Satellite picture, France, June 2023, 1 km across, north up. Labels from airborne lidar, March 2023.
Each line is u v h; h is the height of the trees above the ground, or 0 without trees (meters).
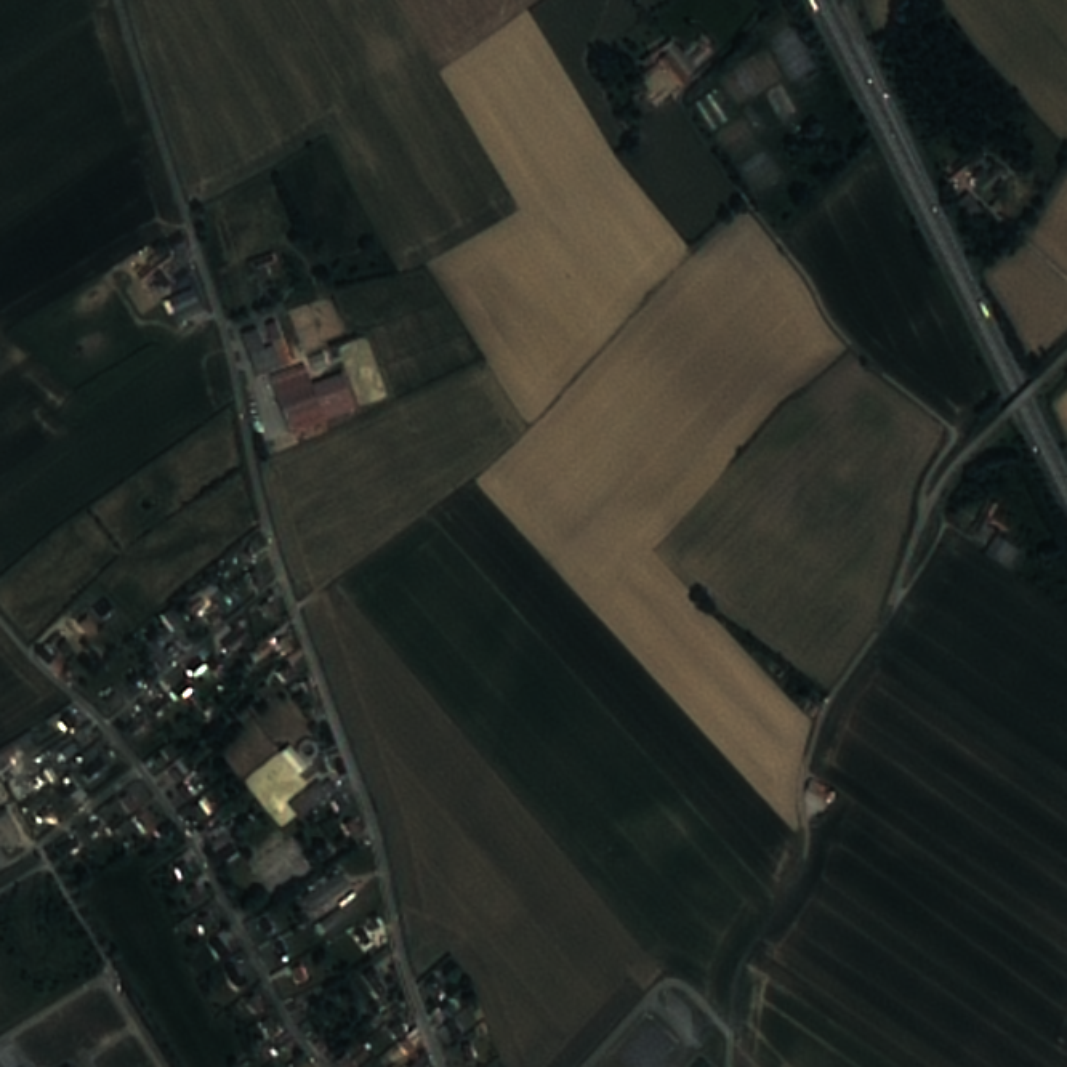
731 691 0
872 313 0
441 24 0
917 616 0
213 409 0
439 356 0
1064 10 0
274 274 0
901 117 0
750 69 0
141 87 0
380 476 0
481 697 0
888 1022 0
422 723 0
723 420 0
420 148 0
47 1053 0
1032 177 0
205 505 0
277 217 0
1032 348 0
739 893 0
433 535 0
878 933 0
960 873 0
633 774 0
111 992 0
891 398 0
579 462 0
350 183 0
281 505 0
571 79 0
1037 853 0
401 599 0
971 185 0
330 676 0
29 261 0
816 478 0
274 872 0
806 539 0
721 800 0
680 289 0
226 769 10
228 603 0
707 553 0
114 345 0
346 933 0
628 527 0
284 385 0
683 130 0
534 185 0
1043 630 0
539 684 0
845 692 0
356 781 0
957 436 0
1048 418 0
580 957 0
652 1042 0
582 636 0
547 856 0
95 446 0
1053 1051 0
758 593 0
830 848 0
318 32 0
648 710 0
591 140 0
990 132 19
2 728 0
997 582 0
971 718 0
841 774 0
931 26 24
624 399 0
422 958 0
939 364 0
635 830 0
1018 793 0
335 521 0
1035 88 0
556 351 0
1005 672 0
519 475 0
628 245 0
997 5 0
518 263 0
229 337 0
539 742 0
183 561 0
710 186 0
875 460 0
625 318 0
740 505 0
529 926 0
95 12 0
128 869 0
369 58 0
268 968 0
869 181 0
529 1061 0
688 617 0
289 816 0
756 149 0
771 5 6
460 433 0
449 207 0
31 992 0
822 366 0
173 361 0
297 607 0
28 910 0
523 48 0
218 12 0
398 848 0
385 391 0
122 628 0
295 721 0
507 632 0
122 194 0
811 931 0
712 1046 0
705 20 0
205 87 0
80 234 0
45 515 0
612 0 0
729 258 0
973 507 11
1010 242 17
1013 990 0
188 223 0
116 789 0
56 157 0
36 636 0
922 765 0
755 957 0
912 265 0
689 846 0
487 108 0
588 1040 0
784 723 0
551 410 0
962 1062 0
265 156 0
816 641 0
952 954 0
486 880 0
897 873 0
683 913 0
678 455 0
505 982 0
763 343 0
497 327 0
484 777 0
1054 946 0
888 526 0
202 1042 0
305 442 0
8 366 0
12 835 0
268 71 0
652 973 0
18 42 0
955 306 0
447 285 0
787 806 0
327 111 0
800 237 0
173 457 0
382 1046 0
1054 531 15
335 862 7
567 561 0
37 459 0
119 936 0
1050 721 0
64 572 0
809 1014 0
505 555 0
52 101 0
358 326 0
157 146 0
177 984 0
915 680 0
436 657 0
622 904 0
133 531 0
